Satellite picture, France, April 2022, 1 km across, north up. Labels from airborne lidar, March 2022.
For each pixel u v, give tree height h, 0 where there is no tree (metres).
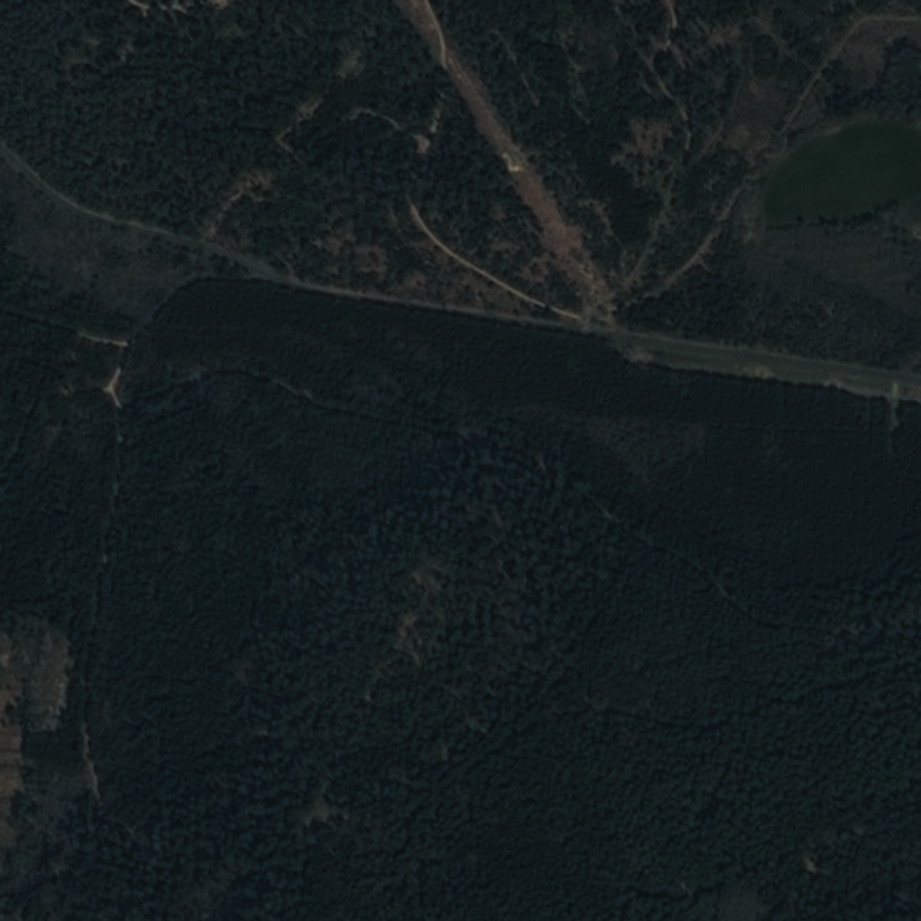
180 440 22
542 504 33
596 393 13
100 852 21
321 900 24
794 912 24
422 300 11
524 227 9
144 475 15
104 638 10
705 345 12
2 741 0
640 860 25
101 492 13
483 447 7
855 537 18
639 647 21
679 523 21
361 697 27
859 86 10
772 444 18
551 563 27
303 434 17
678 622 23
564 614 28
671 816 29
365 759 13
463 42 19
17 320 18
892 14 0
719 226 10
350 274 16
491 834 27
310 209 28
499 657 31
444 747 32
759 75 9
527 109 13
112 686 15
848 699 28
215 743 20
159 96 9
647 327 12
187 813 39
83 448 17
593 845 21
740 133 0
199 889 34
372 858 27
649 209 15
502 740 30
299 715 32
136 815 20
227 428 18
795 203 0
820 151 0
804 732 32
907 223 13
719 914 16
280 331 17
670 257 7
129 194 24
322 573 22
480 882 27
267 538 21
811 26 5
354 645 25
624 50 23
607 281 9
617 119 16
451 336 15
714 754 33
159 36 11
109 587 16
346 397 14
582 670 31
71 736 16
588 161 14
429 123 26
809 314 6
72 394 28
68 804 13
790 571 20
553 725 27
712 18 19
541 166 13
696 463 17
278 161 33
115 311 8
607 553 27
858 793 31
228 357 8
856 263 13
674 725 20
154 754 18
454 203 22
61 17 28
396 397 22
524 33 6
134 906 14
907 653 26
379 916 25
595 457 17
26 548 26
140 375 16
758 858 25
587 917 26
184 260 12
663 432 19
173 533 20
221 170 32
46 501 14
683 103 23
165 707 22
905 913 15
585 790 27
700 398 16
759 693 20
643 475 19
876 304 9
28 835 22
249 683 10
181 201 27
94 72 7
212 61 11
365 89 7
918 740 33
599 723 24
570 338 14
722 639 27
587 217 11
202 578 16
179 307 18
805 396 16
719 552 19
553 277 10
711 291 10
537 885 29
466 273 7
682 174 10
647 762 27
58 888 24
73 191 24
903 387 0
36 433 19
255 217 9
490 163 16
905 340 8
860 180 0
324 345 15
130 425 16
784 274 8
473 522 37
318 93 26
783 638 29
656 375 17
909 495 18
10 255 19
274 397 14
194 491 14
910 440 21
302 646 30
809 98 0
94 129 23
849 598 29
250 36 33
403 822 26
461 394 19
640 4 16
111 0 12
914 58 25
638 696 23
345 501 16
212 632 21
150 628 21
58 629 30
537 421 15
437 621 28
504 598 39
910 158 0
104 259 8
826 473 19
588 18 16
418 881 23
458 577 19
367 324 15
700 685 25
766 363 0
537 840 22
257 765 11
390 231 9
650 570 20
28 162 19
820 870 18
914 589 29
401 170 12
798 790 30
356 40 27
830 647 15
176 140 31
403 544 20
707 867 27
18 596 20
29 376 23
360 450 20
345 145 10
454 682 14
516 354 18
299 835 31
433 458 17
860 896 32
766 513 16
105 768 7
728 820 30
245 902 13
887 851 28
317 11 22
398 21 22
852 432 17
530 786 24
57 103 24
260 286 15
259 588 15
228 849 30
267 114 35
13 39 28
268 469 18
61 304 13
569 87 13
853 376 0
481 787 28
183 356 16
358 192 13
